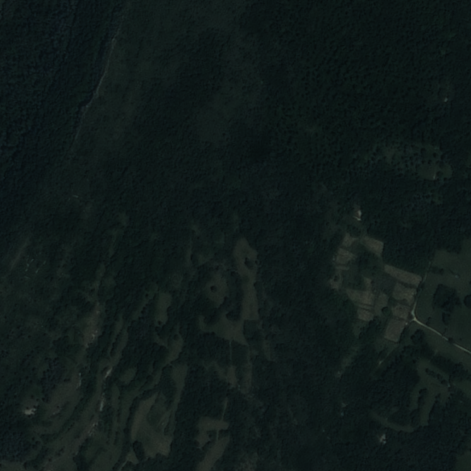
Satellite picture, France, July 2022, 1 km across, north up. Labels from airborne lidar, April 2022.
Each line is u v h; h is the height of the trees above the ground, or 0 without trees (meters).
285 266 13
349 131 9
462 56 19
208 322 10
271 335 6
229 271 9
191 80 18
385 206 15
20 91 24
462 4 15
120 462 8
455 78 16
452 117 18
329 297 9
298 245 16
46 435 5
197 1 8
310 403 11
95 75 8
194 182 10
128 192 11
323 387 10
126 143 9
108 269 11
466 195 22
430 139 18
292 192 17
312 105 18
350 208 9
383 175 17
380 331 14
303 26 15
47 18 19
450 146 20
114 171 13
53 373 12
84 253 7
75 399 0
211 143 8
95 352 12
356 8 15
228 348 10
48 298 6
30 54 21
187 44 6
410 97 20
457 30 17
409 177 7
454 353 0
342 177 14
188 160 6
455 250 10
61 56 14
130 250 7
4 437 16
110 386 9
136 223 19
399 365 18
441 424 15
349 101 9
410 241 15
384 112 23
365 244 0
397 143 9
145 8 8
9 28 21
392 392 15
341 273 0
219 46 14
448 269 0
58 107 21
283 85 16
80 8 18
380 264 0
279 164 14
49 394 9
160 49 6
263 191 6
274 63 15
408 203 15
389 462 13
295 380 10
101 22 13
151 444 0
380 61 13
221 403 6
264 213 12
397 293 0
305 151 13
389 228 13
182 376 0
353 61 7
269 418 7
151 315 14
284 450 8
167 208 9
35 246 7
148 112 10
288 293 17
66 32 23
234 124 8
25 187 17
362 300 0
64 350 7
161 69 6
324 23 11
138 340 13
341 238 5
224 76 7
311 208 5
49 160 15
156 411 0
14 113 20
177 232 7
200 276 7
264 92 13
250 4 6
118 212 10
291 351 6
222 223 9
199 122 6
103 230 8
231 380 0
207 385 10
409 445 6
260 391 8
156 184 7
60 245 9
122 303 11
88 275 8
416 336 13
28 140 21
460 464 0
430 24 13
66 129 17
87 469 6
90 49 19
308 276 15
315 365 10
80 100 10
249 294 0
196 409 12
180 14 8
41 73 23
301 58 8
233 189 6
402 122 12
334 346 9
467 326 0
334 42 13
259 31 21
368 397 13
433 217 15
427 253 12
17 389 11
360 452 15
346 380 10
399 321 0
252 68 6
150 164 9
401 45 12
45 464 0
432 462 11
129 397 0
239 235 10
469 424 14
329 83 24
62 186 7
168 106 15
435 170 0
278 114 16
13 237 13
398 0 17
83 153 6
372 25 17
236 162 16
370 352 7
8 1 18
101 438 0
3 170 15
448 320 21
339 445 12
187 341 7
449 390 8
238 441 6
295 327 8
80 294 7
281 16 16
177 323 9
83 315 6
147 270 12
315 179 18
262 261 10
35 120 19
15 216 20
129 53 7
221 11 6
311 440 7
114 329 12
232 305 13
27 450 16
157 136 17
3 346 8
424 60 14
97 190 6
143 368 12
